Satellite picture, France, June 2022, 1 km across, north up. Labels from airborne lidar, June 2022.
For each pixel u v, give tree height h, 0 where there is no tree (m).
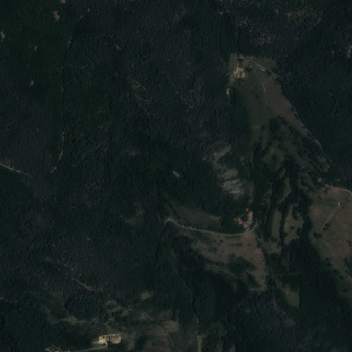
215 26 18
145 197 18
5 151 14
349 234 0
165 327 0
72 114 25
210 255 0
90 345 8
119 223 15
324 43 15
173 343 0
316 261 27
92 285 15
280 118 14
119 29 19
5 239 11
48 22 14
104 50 20
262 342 14
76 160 25
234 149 13
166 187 21
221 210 15
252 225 7
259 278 0
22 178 13
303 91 10
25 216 9
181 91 12
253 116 0
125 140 7
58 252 14
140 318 0
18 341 29
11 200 23
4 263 16
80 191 22
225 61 9
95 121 17
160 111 16
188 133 15
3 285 15
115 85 14
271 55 15
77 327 10
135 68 16
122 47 22
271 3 14
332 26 17
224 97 9
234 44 20
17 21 14
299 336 16
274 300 8
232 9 16
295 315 19
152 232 14
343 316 10
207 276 24
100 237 11
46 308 0
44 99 20
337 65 19
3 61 15
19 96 11
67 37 15
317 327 7
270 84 0
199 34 17
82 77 28
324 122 15
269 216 15
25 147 16
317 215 0
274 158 7
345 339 13
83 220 14
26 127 14
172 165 13
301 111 16
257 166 17
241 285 13
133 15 14
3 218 24
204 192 11
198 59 14
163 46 12
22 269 15
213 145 14
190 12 14
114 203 13
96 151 7
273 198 18
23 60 17
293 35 14
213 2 18
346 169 18
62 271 9
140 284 24
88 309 24
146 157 15
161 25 14
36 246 11
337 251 0
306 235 19
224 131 22
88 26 19
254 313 13
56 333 15
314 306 16
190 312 17
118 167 14
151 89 13
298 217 17
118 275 12
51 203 8
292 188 7
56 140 15
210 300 30
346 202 0
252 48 21
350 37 6
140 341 11
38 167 12
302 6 15
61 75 14
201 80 9
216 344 10
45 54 17
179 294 18
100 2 17
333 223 0
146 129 14
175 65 14
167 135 14
